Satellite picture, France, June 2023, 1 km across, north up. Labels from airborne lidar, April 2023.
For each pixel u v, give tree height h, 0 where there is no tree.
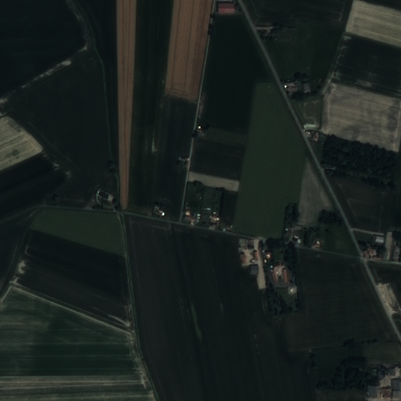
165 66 0
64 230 0
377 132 0
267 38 8
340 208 0
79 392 0
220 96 0
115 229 0
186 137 0
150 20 0
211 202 0
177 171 0
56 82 0
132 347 0
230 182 0
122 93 0
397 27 0
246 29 0
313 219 0
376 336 0
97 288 0
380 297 0
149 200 0
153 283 0
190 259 0
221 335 0
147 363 0
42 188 0
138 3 0
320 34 0
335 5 0
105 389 0
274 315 11
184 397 0
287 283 0
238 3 8
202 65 0
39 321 0
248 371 0
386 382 0
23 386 0
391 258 0
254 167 0
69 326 0
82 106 0
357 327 0
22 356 0
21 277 0
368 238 0
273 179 0
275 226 0
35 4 0
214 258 0
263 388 0
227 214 0
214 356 0
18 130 0
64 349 0
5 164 0
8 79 0
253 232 0
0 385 0
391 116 0
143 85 0
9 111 0
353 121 0
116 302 0
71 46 0
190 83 0
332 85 0
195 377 0
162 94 0
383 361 0
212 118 0
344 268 0
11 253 0
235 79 0
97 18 0
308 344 0
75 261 0
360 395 0
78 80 0
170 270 0
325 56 0
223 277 0
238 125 0
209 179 0
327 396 0
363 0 0
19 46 0
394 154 18
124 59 0
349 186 0
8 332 0
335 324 0
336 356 0
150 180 0
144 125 0
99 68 0
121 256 0
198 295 0
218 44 0
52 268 0
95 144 0
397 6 0
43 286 0
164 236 0
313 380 0
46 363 0
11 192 0
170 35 0
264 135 0
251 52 0
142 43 0
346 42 0
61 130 0
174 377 0
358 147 20
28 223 0
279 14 0
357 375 21
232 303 0
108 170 0
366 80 0
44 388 0
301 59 0
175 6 0
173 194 0
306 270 0
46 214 0
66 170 0
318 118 0
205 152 0
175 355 0
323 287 0
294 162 0
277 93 0
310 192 0
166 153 0
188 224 0
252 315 0
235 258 0
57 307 0
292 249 27
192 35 0
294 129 0
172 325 0
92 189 0
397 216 0
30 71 0
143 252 0
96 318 0
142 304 0
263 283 0
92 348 0
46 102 0
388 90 0
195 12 0
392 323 0
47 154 0
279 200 0
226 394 0
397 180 0
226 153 0
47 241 0
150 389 0
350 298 0
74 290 0
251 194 0
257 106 0
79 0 0
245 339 0
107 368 0
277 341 0
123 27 0
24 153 0
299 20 0
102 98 0
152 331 0
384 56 0
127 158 0
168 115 0
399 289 0
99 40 0
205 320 0
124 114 0
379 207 0
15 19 0
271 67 0
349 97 0
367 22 0
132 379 0
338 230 0
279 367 0
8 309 0
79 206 0
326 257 0
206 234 0
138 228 0
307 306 0
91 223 0
